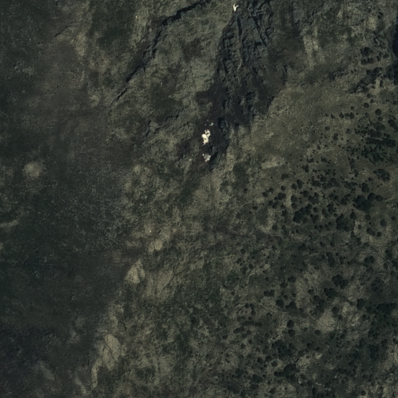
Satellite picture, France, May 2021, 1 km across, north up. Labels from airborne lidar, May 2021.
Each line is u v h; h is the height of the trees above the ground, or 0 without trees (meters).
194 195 0
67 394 0
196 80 0
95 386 0
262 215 0
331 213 14
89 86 0
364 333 0
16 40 0
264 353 13
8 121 0
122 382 0
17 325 0
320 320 0
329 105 0
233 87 0
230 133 0
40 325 0
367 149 12
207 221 7
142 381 0
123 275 0
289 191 0
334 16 0
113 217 0
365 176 0
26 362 0
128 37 0
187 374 0
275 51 0
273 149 0
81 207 0
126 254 0
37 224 0
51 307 0
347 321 0
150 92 0
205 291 0
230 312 0
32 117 0
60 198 0
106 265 0
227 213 0
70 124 0
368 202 27
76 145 0
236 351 8
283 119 0
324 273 0
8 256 0
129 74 0
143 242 0
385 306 21
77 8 0
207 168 0
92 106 0
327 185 12
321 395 7
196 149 0
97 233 0
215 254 0
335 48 0
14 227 0
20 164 0
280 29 0
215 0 0
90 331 0
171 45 0
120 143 0
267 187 0
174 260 0
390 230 0
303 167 8
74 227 0
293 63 0
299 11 0
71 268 0
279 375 19
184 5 0
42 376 0
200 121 7
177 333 0
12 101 0
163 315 0
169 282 0
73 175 0
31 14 0
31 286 0
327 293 16
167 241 0
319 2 0
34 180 0
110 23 0
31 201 0
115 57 0
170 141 0
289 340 0
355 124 0
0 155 0
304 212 26
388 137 15
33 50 0
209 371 8
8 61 0
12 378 0
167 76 0
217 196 0
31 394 0
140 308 0
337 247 0
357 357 10
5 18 0
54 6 0
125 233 0
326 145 9
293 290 0
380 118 13
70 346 0
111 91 0
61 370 0
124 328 0
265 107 0
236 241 0
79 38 0
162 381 0
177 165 0
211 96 8
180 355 0
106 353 0
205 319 13
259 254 0
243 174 0
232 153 0
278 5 0
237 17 0
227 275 0
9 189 0
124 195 0
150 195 0
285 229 12
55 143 0
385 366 0
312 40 0
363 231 0
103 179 0
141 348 0
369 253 0
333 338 7
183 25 0
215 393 0
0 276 0
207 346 0
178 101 0
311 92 0
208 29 0
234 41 0
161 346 0
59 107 0
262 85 0
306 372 0
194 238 0
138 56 0
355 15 0
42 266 0
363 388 0
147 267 0
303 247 8
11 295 0
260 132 0
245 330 11
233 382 10
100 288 0
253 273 0
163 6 0
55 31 0
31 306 0
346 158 0
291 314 10
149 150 0
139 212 0
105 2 0
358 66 0
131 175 0
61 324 0
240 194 0
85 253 0
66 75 0
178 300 0
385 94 0
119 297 0
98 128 0
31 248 0
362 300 17
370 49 18
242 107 0
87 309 0
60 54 0
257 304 0
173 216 0
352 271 0
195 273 0
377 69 12
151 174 0
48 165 0
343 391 0
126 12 0
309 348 14
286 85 0
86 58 0
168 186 0
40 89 0
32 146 0
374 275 0
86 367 0
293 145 0
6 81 0
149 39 0
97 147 0
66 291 0
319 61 0
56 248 0
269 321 0
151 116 0
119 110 0
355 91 9
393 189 0
